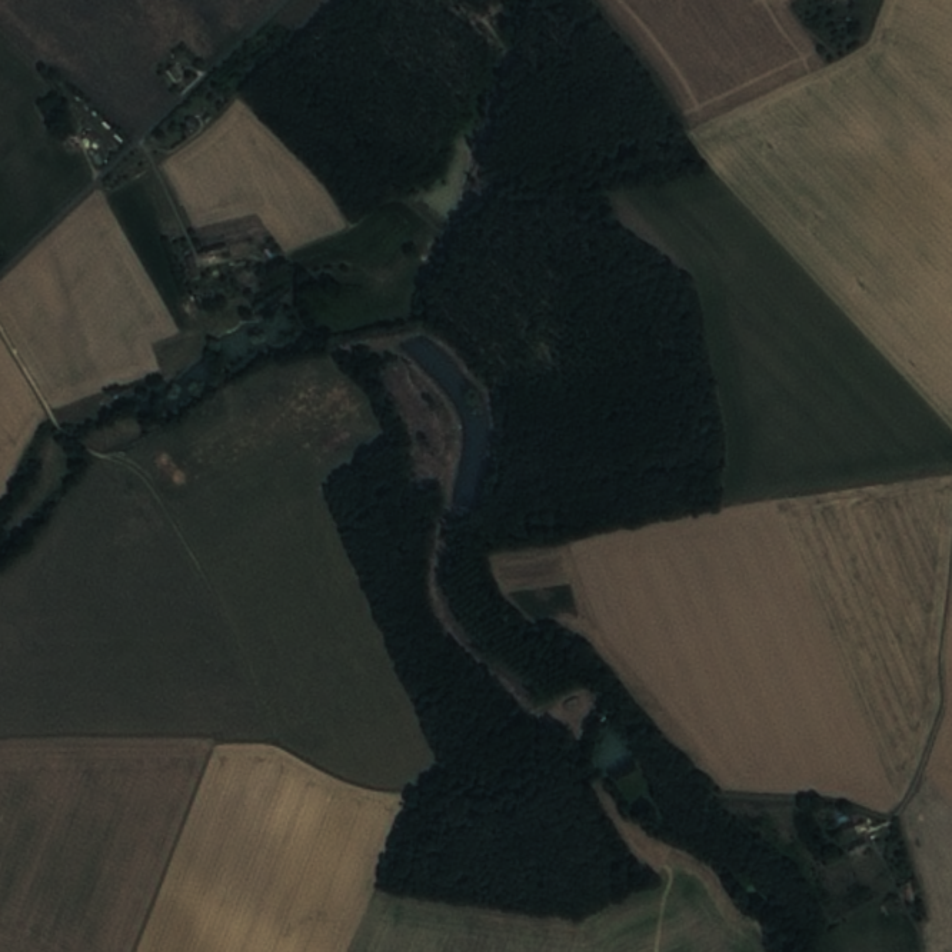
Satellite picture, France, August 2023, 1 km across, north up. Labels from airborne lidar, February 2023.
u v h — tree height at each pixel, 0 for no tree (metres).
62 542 0
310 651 0
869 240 0
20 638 0
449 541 21
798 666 0
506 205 22
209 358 12
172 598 0
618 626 0
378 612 13
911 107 0
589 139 24
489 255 24
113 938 0
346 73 20
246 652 0
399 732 0
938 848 0
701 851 19
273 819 0
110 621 0
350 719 0
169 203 0
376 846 0
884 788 0
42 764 0
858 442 0
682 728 0
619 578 0
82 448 12
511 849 26
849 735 0
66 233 0
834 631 0
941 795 0
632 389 18
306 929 0
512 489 23
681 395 13
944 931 0
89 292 0
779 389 0
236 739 0
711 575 0
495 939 0
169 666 0
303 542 0
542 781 26
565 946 0
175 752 0
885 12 0
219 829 0
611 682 13
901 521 0
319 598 0
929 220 0
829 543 0
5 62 0
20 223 0
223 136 0
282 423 0
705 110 0
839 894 0
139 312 0
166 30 0
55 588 0
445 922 0
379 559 19
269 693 0
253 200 0
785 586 0
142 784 0
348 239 0
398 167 22
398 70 22
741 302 0
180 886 0
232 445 0
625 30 0
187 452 0
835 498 0
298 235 0
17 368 0
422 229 0
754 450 0
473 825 23
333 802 0
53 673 0
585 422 22
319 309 0
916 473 0
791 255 0
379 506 21
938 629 0
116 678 0
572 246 23
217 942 0
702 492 17
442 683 16
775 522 0
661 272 14
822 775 0
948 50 0
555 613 0
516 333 22
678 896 0
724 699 0
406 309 0
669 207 0
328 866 0
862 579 0
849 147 0
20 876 0
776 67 0
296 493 0
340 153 24
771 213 0
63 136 11
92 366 0
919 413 0
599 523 14
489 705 20
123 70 0
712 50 0
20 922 0
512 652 29
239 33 0
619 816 19
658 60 0
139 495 0
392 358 12
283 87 17
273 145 0
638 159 23
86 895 0
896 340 0
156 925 0
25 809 0
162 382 16
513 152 23
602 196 9
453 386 0
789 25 0
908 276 0
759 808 0
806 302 0
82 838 0
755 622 0
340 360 7
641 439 25
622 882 23
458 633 24
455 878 23
